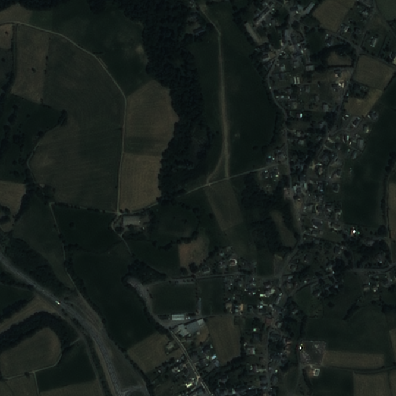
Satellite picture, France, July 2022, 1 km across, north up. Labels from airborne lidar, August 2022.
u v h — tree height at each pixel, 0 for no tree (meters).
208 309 0
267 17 0
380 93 0
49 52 0
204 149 5
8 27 0
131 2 20
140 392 0
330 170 0
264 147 8
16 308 20
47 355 0
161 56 23
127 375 0
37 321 11
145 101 0
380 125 0
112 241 0
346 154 0
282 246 7
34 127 0
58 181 0
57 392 0
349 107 0
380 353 0
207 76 0
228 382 9
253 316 0
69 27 0
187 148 21
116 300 0
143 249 0
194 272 14
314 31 11
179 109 11
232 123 0
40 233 0
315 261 7
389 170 14
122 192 0
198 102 23
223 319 0
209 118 0
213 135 11
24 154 0
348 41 0
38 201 0
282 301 0
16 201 0
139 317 0
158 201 16
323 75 0
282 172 0
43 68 0
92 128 0
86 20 0
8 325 0
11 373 0
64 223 0
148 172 0
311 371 0
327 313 0
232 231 0
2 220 14
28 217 0
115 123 0
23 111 0
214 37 0
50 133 0
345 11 0
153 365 0
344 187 0
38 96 0
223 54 0
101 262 0
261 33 0
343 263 17
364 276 0
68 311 0
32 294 0
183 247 0
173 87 12
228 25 0
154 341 0
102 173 0
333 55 0
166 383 0
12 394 0
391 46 0
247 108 0
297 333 0
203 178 0
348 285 0
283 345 6
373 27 0
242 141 0
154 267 0
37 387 0
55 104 0
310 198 0
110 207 0
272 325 0
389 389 0
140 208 0
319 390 0
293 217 0
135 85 0
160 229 0
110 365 0
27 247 10
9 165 0
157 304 0
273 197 9
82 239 0
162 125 0
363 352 0
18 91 0
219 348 0
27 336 10
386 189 0
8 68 0
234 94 0
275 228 9
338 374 0
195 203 0
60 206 12
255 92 0
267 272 0
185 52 17
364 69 0
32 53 0
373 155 0
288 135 9
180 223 0
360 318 0
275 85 0
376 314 0
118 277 0
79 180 0
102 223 0
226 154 0
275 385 0
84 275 0
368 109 0
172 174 8
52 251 0
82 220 0
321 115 0
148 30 13
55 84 0
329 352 0
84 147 0
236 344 0
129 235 6
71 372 0
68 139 0
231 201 0
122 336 0
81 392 0
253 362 0
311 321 0
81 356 0
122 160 0
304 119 12
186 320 0
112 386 0
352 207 0
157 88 0
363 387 0
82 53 0
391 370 0
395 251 0
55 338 0
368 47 0
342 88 0
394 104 0
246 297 0
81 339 0
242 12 18
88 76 0
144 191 0
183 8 19
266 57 0
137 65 0
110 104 0
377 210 0
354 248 16
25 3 18
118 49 0
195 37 6
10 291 0
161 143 0
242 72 0
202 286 0
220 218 0
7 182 0
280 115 8
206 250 0
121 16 0
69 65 0
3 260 0
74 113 0
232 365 10
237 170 0
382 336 0
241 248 0
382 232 20
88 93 0
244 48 0
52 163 0
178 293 0
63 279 0
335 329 0
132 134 0
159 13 21
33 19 0
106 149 0
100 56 0
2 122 0
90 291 0
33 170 0
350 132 0
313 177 0
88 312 0
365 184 0
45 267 11
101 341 0
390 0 0
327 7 0
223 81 0
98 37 0
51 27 0
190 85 26
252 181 13
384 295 0
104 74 0
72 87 0
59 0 8
